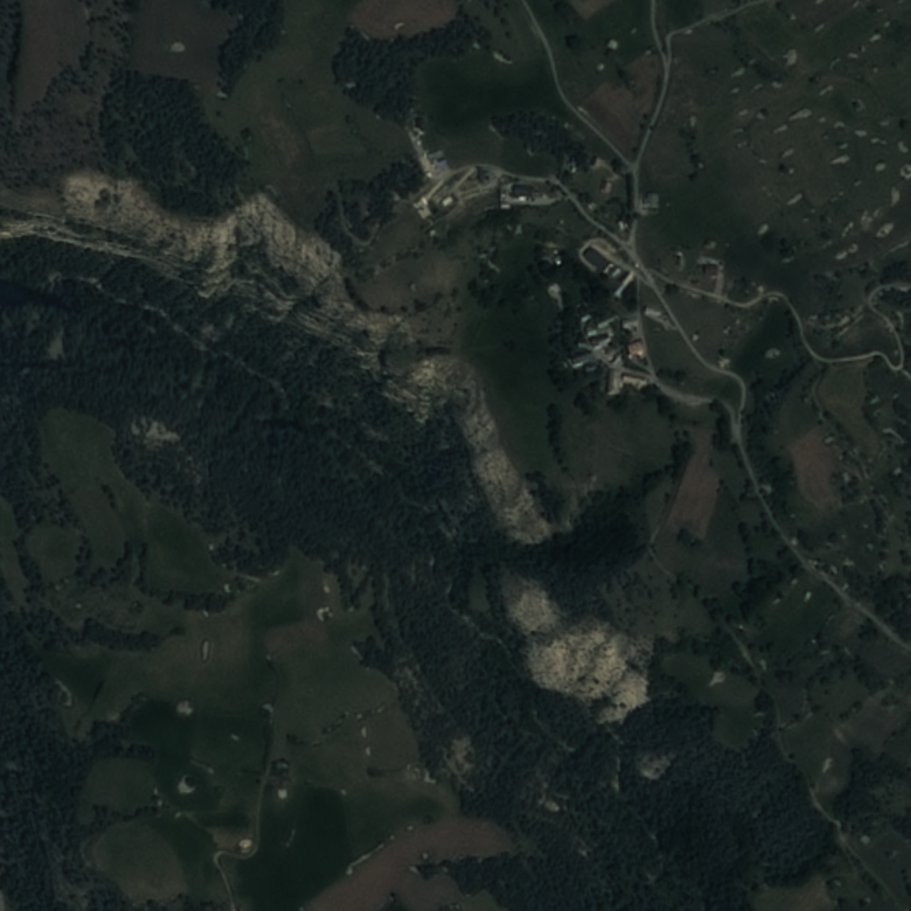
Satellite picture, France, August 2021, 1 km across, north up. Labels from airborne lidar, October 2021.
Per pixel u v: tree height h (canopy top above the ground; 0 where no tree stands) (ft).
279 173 0
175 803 0
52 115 45
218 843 0
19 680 57
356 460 43
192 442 27
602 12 0
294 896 0
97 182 0
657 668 46
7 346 43
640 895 33
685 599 0
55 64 0
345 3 0
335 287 0
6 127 37
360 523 49
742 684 0
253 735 0
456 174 0
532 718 48
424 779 0
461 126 0
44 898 39
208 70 0
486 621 22
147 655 0
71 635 35
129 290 69
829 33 0
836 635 0
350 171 0
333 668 0
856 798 51
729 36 0
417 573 41
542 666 0
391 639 51
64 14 0
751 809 39
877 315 0
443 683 30
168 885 0
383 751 0
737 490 0
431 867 30
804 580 0
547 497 38
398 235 0
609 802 53
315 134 0
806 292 0
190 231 0
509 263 0
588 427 0
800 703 0
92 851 0
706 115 0
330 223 20
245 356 34
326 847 0
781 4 22
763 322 0
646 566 0
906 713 0
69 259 51
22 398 19
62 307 26
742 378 0
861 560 0
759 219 0
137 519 0
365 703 0
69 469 0
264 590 0
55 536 0
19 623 30
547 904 29
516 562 30
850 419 0
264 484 44
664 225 0
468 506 21
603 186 0
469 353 0
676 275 0
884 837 0
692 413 0
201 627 0
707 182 0
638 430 0
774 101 0
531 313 0
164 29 0
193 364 48
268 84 0
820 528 0
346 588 29
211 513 28
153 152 37
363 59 44
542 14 0
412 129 0
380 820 0
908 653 0
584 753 49
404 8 0
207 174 29
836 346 28
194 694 0
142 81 30
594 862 34
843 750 0
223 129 0
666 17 0
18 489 37
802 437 0
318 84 0
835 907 0
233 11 26
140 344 48
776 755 30
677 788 28
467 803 40
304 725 0
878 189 0
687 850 43
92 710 0
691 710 50
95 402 38
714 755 35
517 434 0
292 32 0
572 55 0
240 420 31
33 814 18
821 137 0
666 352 0
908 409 22
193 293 23
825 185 0
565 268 43
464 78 0
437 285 0
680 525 0
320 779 0
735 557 0
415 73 26
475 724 43
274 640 0
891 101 0
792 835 24
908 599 30
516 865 25
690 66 0
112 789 0
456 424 36
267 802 0
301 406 47
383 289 0
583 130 0
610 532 84
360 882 0
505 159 0
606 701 24
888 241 0
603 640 0
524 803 22
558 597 31
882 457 0
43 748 31
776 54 0
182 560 0
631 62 0
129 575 23
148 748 33
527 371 0
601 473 0
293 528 50
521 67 0
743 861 37
